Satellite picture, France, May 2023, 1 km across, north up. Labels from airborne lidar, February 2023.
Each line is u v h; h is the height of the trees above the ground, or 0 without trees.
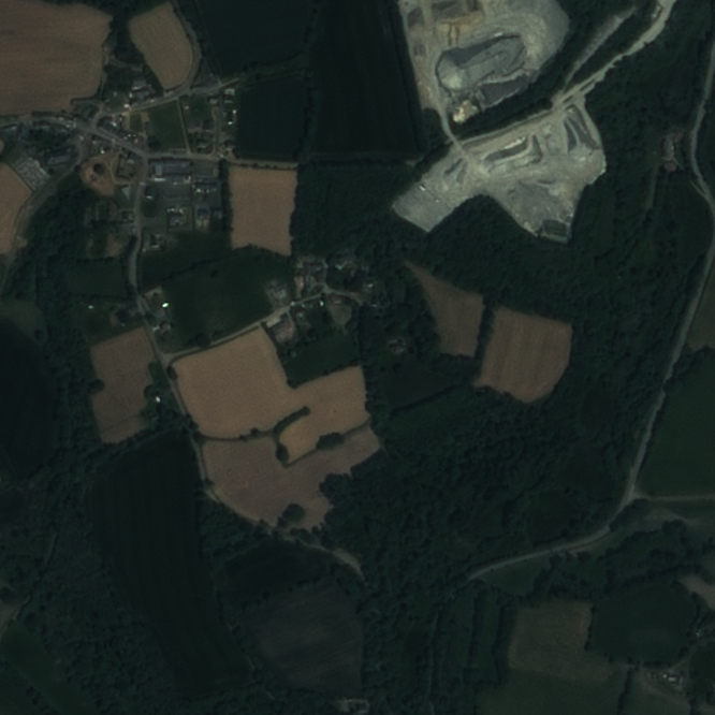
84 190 7
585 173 0
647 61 21
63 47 0
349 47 0
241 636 13
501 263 19
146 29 0
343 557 0
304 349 6
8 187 0
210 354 0
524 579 0
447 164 0
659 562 15
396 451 20
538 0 0
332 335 8
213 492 0
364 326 20
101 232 10
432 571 11
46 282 17
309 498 0
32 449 0
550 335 0
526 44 0
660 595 0
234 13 0
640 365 18
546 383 0
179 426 12
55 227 7
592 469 0
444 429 22
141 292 7
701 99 8
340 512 18
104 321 0
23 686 16
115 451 14
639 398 9
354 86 0
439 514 30
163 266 0
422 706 8
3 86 0
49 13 0
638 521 0
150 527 0
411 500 22
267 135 0
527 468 10
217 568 19
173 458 0
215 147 0
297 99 0
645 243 10
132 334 0
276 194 0
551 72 8
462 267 20
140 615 0
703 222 0
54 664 0
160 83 0
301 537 15
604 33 0
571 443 25
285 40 0
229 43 0
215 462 0
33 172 0
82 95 0
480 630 14
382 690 17
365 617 9
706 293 0
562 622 0
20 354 0
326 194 16
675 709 0
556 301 18
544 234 0
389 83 0
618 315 13
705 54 16
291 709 18
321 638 0
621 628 0
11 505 0
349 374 0
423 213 0
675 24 14
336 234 15
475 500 10
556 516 0
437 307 0
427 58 0
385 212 11
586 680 0
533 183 0
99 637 7
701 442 0
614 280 11
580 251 9
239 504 0
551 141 0
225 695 6
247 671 0
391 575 6
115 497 0
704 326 0
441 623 20
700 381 0
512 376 0
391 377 0
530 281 10
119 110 0
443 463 13
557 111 0
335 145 0
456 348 0
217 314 0
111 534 0
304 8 0
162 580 0
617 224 11
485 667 0
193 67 0
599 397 0
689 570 12
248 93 0
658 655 0
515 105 16
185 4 12
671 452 0
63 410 23
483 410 25
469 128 13
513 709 0
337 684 0
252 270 0
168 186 0
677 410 0
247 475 0
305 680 0
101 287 0
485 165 0
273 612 0
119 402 0
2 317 0
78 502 15
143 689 22
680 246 17
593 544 0
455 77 0
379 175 17
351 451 0
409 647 0
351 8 0
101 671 10
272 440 0
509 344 0
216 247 0
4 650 0
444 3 0
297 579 0
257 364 0
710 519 0
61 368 11
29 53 0
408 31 0
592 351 17
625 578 0
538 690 0
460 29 0
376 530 25
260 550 0
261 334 0
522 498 10
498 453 22
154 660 22
